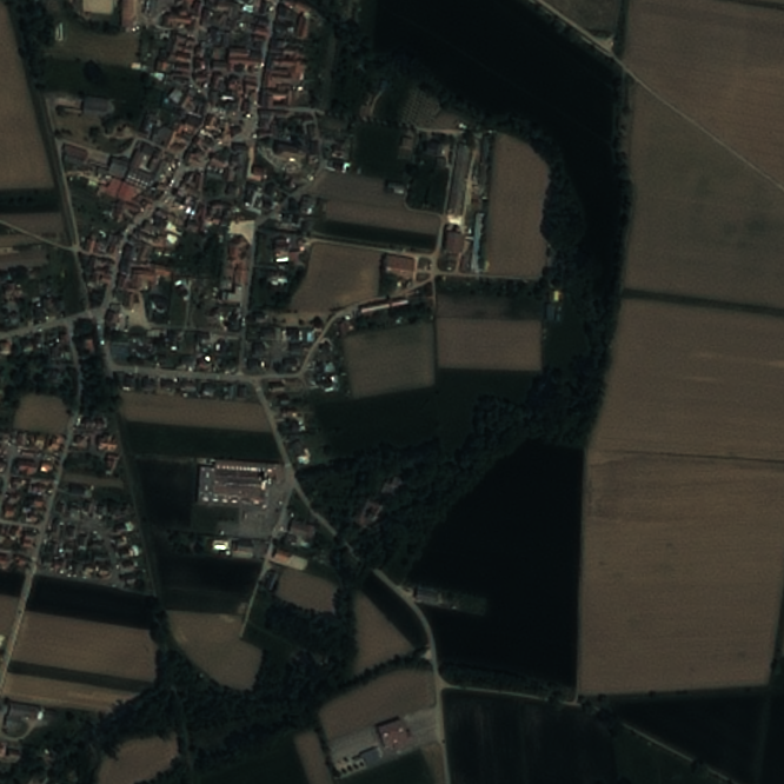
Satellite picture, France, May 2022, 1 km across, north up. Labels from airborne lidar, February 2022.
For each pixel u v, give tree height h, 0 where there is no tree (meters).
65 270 0
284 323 0
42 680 0
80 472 0
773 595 0
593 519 0
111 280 0
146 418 0
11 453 0
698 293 0
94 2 0
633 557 0
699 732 0
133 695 0
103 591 0
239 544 0
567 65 0
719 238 0
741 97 0
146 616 0
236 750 21
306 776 0
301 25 0
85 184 0
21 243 0
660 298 0
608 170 0
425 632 0
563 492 0
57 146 0
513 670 0
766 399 0
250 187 0
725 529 0
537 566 0
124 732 37
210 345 0
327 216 0
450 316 0
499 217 0
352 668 0
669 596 0
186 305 0
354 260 0
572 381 0
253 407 0
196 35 0
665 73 0
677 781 0
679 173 0
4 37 0
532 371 0
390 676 0
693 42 0
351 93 0
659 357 0
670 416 0
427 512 20
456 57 0
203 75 0
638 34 0
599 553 0
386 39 0
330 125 0
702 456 0
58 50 0
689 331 0
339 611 14
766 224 0
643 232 0
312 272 0
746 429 0
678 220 0
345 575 7
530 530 0
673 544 0
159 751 0
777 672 6
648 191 0
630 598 0
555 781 0
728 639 0
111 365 0
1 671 0
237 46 0
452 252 0
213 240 6
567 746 0
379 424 0
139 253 0
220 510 0
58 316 0
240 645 0
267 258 0
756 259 0
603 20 0
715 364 0
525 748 0
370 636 0
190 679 18
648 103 0
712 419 0
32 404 0
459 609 0
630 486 0
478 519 0
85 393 12
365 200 0
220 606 0
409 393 0
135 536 0
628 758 0
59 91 0
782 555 0
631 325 0
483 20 0
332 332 0
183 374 0
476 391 0
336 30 11
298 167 0
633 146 0
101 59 0
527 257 0
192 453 0
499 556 0
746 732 0
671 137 0
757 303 0
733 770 0
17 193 0
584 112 0
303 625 31
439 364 0
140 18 0
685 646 0
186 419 0
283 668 0
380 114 0
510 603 0
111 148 0
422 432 0
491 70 0
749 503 0
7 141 0
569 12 0
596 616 0
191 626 0
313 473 17
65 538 0
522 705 0
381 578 0
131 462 0
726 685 0
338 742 0
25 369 10
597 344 15
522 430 20
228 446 0
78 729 0
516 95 0
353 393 0
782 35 0
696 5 0
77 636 0
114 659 0
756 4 0
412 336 0
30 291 0
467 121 0
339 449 0
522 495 0
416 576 0
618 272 13
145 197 0
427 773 0
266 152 0
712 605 0
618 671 0
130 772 0
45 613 0
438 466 22
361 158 0
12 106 0
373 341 0
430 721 0
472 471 19
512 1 0
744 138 0
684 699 0
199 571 0
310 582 0
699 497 0
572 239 18
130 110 0
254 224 0
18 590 0
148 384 0
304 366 0
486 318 0
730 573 0
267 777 0
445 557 0
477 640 0
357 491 6
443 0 0
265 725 0
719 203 0
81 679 0
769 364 0
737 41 0
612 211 0
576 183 0
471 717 0
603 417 0
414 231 0
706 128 0
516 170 0
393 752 0
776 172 0
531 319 0
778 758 0
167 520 0
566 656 0
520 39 0
